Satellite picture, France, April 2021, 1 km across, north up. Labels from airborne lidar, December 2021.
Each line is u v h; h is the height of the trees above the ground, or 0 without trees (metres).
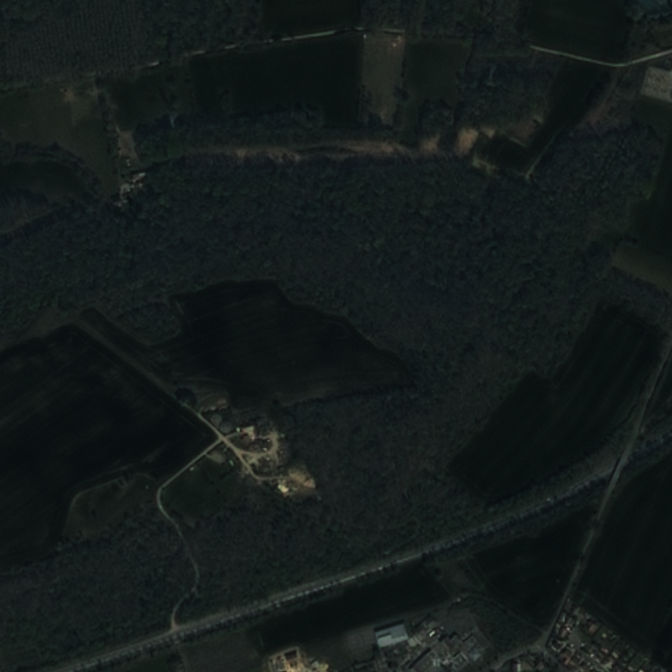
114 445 0
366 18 16
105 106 18
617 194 27
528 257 24
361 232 25
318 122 18
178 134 23
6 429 0
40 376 0
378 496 18
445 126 23
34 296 16
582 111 0
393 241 29
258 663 0
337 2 0
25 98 0
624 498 0
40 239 23
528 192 23
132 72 23
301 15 0
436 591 0
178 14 20
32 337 0
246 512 13
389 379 0
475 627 0
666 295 11
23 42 32
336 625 0
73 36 34
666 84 0
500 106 33
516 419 0
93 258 21
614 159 23
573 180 31
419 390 15
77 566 14
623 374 0
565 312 12
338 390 0
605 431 0
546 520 13
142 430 0
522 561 0
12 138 0
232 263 16
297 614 0
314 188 25
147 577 9
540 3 0
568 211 30
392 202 28
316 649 0
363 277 21
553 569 0
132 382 0
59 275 22
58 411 0
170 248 23
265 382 0
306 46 0
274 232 21
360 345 0
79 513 0
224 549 16
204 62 0
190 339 0
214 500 0
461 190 25
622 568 0
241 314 0
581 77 0
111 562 17
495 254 24
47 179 0
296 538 24
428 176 29
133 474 12
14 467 0
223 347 0
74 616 20
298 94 0
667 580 0
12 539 0
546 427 0
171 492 0
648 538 0
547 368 16
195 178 25
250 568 11
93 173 6
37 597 14
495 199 22
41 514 0
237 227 19
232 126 22
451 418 15
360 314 22
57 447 0
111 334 0
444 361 12
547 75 10
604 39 0
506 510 15
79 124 0
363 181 25
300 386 0
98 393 0
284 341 0
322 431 18
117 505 0
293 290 12
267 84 0
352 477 18
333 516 12
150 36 19
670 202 0
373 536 18
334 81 0
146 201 20
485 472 0
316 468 13
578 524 0
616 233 0
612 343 0
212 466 0
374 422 16
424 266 27
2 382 0
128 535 15
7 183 0
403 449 21
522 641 14
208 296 0
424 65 0
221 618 0
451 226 31
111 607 20
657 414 0
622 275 22
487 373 15
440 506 6
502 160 0
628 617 0
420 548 11
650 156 19
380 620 0
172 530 10
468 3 23
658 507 0
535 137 0
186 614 14
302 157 0
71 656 13
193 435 0
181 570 17
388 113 0
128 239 25
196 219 20
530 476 0
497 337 23
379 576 11
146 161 20
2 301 19
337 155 0
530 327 19
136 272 21
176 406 0
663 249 0
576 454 0
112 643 8
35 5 28
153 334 10
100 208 24
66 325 0
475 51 16
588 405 0
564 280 28
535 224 9
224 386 0
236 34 21
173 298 0
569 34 0
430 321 16
